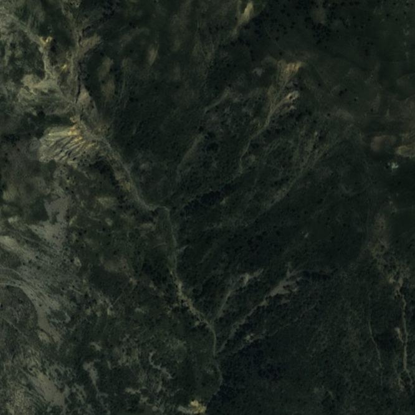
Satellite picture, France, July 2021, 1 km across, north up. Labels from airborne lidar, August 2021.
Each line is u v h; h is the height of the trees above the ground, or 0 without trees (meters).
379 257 7
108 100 0
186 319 9
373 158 0
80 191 0
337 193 0
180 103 0
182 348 0
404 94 0
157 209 0
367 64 0
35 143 0
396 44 0
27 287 0
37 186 0
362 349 6
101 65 0
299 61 0
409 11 0
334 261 0
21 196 0
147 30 0
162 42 0
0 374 0
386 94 0
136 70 0
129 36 0
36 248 0
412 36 0
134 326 0
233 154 5
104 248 0
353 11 0
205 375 0
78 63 0
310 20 12
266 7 0
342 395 8
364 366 10
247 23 0
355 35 0
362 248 0
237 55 0
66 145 0
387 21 0
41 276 0
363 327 7
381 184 0
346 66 0
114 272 0
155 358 10
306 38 0
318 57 0
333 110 0
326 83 0
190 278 7
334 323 7
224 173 7
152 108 0
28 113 0
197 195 8
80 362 7
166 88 0
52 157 0
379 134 0
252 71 0
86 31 0
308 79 0
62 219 0
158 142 8
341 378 8
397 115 0
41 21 0
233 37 0
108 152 0
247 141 6
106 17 19
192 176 7
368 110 0
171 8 0
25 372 6
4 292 0
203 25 0
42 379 0
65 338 0
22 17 0
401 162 0
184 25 0
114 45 0
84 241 0
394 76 0
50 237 0
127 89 8
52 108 0
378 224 0
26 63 0
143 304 7
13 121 0
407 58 0
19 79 0
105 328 0
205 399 7
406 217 0
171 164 8
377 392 6
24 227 0
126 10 0
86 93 0
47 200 0
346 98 0
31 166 0
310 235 0
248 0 0
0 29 0
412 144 0
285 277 10
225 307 0
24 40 0
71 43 0
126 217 0
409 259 0
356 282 8
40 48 0
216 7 0
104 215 0
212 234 6
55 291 0
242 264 7
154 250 6
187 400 6
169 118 0
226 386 6
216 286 7
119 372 6
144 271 9
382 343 15
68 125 0
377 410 9
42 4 0
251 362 6
